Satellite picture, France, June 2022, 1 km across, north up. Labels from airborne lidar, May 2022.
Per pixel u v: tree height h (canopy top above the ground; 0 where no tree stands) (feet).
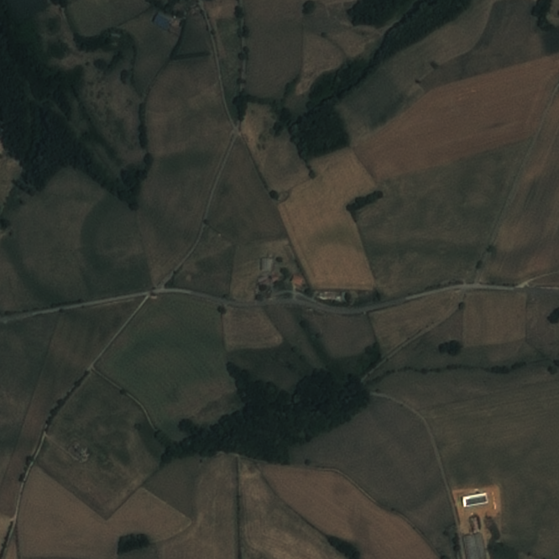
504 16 0
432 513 0
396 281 0
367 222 0
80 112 0
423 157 0
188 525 0
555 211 0
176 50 30
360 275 0
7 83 70
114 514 0
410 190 0
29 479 0
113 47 0
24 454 0
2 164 0
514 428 0
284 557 0
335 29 0
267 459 55
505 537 0
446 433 0
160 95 0
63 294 0
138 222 0
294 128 69
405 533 0
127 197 44
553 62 0
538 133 0
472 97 0
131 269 0
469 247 0
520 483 0
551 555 0
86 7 0
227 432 37
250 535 0
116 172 0
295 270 0
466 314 0
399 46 54
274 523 0
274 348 0
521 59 0
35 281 0
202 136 0
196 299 0
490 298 0
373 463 0
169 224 0
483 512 0
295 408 73
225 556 0
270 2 0
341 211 0
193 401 0
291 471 0
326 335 0
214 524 0
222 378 0
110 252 0
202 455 45
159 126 0
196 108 0
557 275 0
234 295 0
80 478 0
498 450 0
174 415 0
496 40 0
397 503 0
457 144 0
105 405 0
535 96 0
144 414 0
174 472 0
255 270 0
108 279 0
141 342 0
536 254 0
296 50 0
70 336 0
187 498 0
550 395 0
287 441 58
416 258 0
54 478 0
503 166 0
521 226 0
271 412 75
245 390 56
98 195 0
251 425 70
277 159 0
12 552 0
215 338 0
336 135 60
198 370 0
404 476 0
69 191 0
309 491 0
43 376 0
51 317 0
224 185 0
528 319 0
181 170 0
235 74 0
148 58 0
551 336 0
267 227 0
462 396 0
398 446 0
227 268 0
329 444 0
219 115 0
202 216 0
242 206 0
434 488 0
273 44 0
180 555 0
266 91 0
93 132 0
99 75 0
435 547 0
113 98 0
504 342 0
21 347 0
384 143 0
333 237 0
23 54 32
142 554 0
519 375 0
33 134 23
